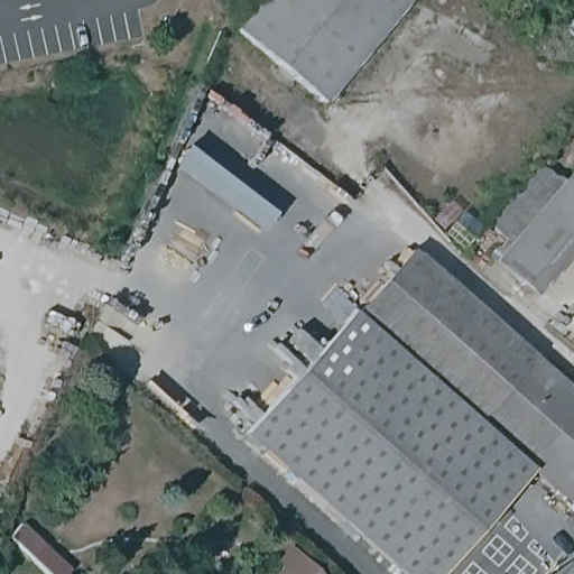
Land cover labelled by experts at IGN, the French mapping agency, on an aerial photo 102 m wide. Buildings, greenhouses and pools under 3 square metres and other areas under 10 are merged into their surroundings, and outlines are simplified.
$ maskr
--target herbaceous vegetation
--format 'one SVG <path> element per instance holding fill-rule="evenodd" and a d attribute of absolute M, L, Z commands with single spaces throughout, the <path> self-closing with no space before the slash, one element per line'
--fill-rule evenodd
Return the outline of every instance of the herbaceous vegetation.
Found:
<path fill-rule="evenodd" d="M 549 168 L 563 177 L 574 179 L 574 141 L 567 148 L 540 155 L 540 168 Z"/>
<path fill-rule="evenodd" d="M 123 54 L 141 54 L 137 76 L 146 83 L 148 90 L 161 90 L 161 83 L 166 78 L 159 72 L 177 72 L 179 67 L 186 67 L 193 45 L 186 36 L 193 31 L 193 27 L 209 22 L 211 34 L 222 36 L 226 27 L 229 16 L 222 16 L 222 9 L 229 0 L 0 0 L 0 99 L 4 94 L 22 94 L 40 87 L 40 74 L 45 74 L 47 67 L 56 65 L 56 61 L 61 58 L 74 61 L 85 56 L 94 63 L 99 81 L 103 81 L 110 76 L 110 67 L 117 67 Z M 179 38 L 179 43 L 168 54 L 157 52 L 148 43 L 155 27 L 161 31 L 166 29 L 173 38 Z"/>
<path fill-rule="evenodd" d="M 108 574 L 108 570 L 103 570 L 103 565 L 96 561 L 96 547 L 101 547 L 108 538 L 126 558 L 130 558 L 126 563 L 126 570 L 130 574 L 132 574 L 141 565 L 144 556 L 155 549 L 159 540 L 166 540 L 166 536 L 170 536 L 173 518 L 177 513 L 182 513 L 186 520 L 193 520 L 193 513 L 202 513 L 202 509 L 220 491 L 229 502 L 242 504 L 242 493 L 224 489 L 222 475 L 229 471 L 204 444 L 195 439 L 195 428 L 186 426 L 175 413 L 170 417 L 159 419 L 155 415 L 155 406 L 148 399 L 139 397 L 135 388 L 130 388 L 119 383 L 119 392 L 114 399 L 117 439 L 110 446 L 112 455 L 105 460 L 110 464 L 108 484 L 92 493 L 92 498 L 81 507 L 74 520 L 58 525 L 54 531 L 47 531 L 34 518 L 29 520 L 29 525 L 72 567 L 72 574 Z"/>
<path fill-rule="evenodd" d="M 217 520 L 213 527 L 191 536 L 191 545 L 206 547 L 215 554 L 215 563 L 220 563 L 220 570 L 209 570 L 204 574 L 240 574 L 240 567 L 233 563 L 233 558 L 229 558 L 226 549 L 231 549 L 233 545 L 242 547 L 242 543 L 235 540 L 238 531 L 226 529 L 222 520 Z"/>
<path fill-rule="evenodd" d="M 462 58 L 451 61 L 451 56 L 444 52 L 431 54 L 431 70 L 444 70 L 444 83 L 437 87 L 439 96 L 509 96 L 504 105 L 496 105 L 491 110 L 487 132 L 493 137 L 496 148 L 489 157 L 480 161 L 469 159 L 455 175 L 446 175 L 439 168 L 426 168 L 419 159 L 415 159 L 410 152 L 406 152 L 388 137 L 368 139 L 365 157 L 372 159 L 379 150 L 388 150 L 390 159 L 386 159 L 386 170 L 390 170 L 397 177 L 397 182 L 431 217 L 439 215 L 439 209 L 448 202 L 460 204 L 462 211 L 469 213 L 475 206 L 475 188 L 480 186 L 480 179 L 507 173 L 511 170 L 511 166 L 518 166 L 525 159 L 522 146 L 527 146 L 527 139 L 534 139 L 540 132 L 545 132 L 543 128 L 549 123 L 556 110 L 565 110 L 570 117 L 574 114 L 574 76 L 561 74 L 556 70 L 556 58 L 545 58 L 545 63 L 534 61 L 520 45 L 511 43 L 507 34 L 502 34 L 500 27 L 482 25 L 480 13 L 466 13 L 462 0 L 408 0 L 410 9 L 397 20 L 397 25 L 390 27 L 386 38 L 374 47 L 368 63 L 345 81 L 339 96 L 327 96 L 325 103 L 309 94 L 300 83 L 289 81 L 283 74 L 283 70 L 276 63 L 271 63 L 267 54 L 253 47 L 240 31 L 235 34 L 231 38 L 229 65 L 222 74 L 224 83 L 211 81 L 200 92 L 188 87 L 184 114 L 177 121 L 175 135 L 170 137 L 173 146 L 168 146 L 164 159 L 157 161 L 157 168 L 161 170 L 166 164 L 168 157 L 182 157 L 184 150 L 197 148 L 197 141 L 209 132 L 202 126 L 202 119 L 211 92 L 222 94 L 229 103 L 238 105 L 249 119 L 253 119 L 256 126 L 269 130 L 278 126 L 283 128 L 283 123 L 287 123 L 303 105 L 312 108 L 314 121 L 325 130 L 330 108 L 368 103 L 368 94 L 354 92 L 354 85 L 361 81 L 372 81 L 374 72 L 390 52 L 395 38 L 404 31 L 406 22 L 415 20 L 422 7 L 428 4 L 433 11 L 433 20 L 439 22 L 442 16 L 453 16 L 457 25 L 466 25 L 473 34 L 482 36 L 493 45 L 487 63 L 471 63 Z"/>
<path fill-rule="evenodd" d="M 96 170 L 103 170 L 110 166 L 110 157 L 117 152 L 117 146 L 123 139 L 121 130 L 103 128 L 87 112 L 65 121 L 52 121 L 47 114 L 20 112 L 16 117 L 11 114 L 9 119 L 0 121 L 0 206 L 13 211 L 16 215 L 36 217 L 40 224 L 47 226 L 52 244 L 61 242 L 61 238 L 72 238 L 78 231 L 85 231 L 87 224 L 96 222 L 96 213 L 92 213 L 92 206 L 83 206 L 83 211 L 63 209 L 45 195 L 36 195 L 34 191 L 36 186 L 63 186 L 72 193 L 87 193 L 87 182 L 94 177 Z"/>

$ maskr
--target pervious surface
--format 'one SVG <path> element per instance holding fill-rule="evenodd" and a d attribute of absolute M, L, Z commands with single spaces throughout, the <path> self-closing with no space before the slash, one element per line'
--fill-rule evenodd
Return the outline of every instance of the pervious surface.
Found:
<path fill-rule="evenodd" d="M 455 276 L 504 323 L 509 323 L 531 348 L 536 348 L 556 370 L 561 370 L 565 377 L 574 381 L 574 276 L 570 271 L 563 271 L 545 294 L 540 294 L 534 283 L 529 283 L 518 271 L 504 265 L 500 249 L 511 244 L 511 238 L 502 235 L 502 231 L 496 226 L 484 233 L 484 238 L 471 235 L 457 217 L 462 211 L 460 204 L 448 202 L 439 209 L 439 215 L 431 217 L 397 182 L 397 177 L 390 170 L 386 170 L 374 179 L 372 164 L 365 161 L 365 157 L 368 139 L 388 137 L 406 152 L 410 152 L 415 159 L 419 159 L 426 168 L 439 168 L 446 175 L 455 175 L 469 159 L 480 161 L 489 157 L 496 148 L 493 137 L 487 132 L 491 110 L 496 105 L 504 105 L 509 96 L 439 96 L 437 87 L 444 83 L 444 70 L 431 70 L 431 54 L 444 52 L 451 56 L 451 61 L 462 58 L 471 63 L 487 63 L 493 45 L 482 36 L 473 34 L 466 25 L 457 25 L 453 16 L 442 16 L 439 22 L 433 20 L 433 11 L 428 4 L 422 7 L 415 20 L 406 22 L 404 31 L 395 38 L 390 52 L 374 72 L 372 81 L 361 81 L 354 85 L 354 92 L 368 94 L 368 103 L 330 108 L 325 130 L 314 121 L 312 108 L 303 105 L 287 123 L 283 123 L 283 128 L 278 126 L 269 130 L 269 141 L 262 155 L 269 157 L 276 144 L 280 144 L 352 197 L 359 197 L 363 193 L 372 202 L 374 220 L 388 222 L 390 231 L 408 244 L 422 242 L 422 251 L 435 258 L 451 276 Z"/>
<path fill-rule="evenodd" d="M 61 422 L 58 406 L 54 404 L 54 399 L 61 397 L 67 401 L 70 388 L 78 388 L 78 372 L 90 370 L 87 352 L 78 350 L 81 336 L 96 332 L 96 321 L 101 312 L 96 305 L 105 303 L 112 291 L 128 289 L 137 280 L 132 271 L 121 274 L 114 260 L 101 258 L 87 244 L 81 244 L 72 238 L 61 238 L 61 242 L 52 244 L 47 226 L 40 224 L 36 217 L 16 215 L 13 211 L 0 206 L 0 496 L 7 491 L 11 480 L 20 478 L 22 469 L 29 462 L 29 453 L 40 455 L 49 444 L 61 439 L 61 435 L 65 433 L 67 424 Z"/>

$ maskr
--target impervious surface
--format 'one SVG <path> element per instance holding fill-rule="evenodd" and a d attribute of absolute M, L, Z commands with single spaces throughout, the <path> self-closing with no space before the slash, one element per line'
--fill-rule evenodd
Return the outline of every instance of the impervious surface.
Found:
<path fill-rule="evenodd" d="M 202 119 L 202 126 L 209 132 L 197 141 L 197 148 L 213 157 L 220 166 L 224 166 L 229 173 L 233 173 L 238 179 L 242 179 L 249 188 L 253 188 L 258 195 L 262 195 L 280 211 L 269 224 L 256 226 L 249 217 L 235 213 L 231 202 L 226 202 L 215 191 L 197 182 L 193 175 L 184 173 L 179 164 L 166 164 L 161 170 L 161 184 L 150 195 L 146 206 L 139 211 L 128 244 L 121 258 L 114 260 L 121 274 L 132 271 L 137 280 L 128 289 L 112 291 L 105 303 L 96 305 L 101 312 L 96 321 L 96 332 L 103 334 L 103 339 L 110 345 L 101 352 L 99 363 L 105 365 L 105 372 L 119 383 L 130 388 L 135 379 L 141 381 L 175 413 L 186 426 L 195 428 L 195 439 L 204 444 L 229 471 L 240 478 L 242 487 L 258 493 L 271 507 L 271 511 L 278 518 L 276 534 L 291 536 L 300 534 L 309 538 L 345 574 L 410 574 L 408 570 L 395 563 L 392 554 L 388 554 L 374 538 L 370 538 L 368 531 L 354 525 L 352 518 L 345 518 L 303 478 L 294 475 L 294 471 L 280 457 L 267 451 L 267 446 L 251 446 L 249 433 L 256 433 L 274 415 L 274 408 L 298 383 L 296 370 L 300 365 L 307 365 L 307 357 L 291 343 L 289 330 L 296 325 L 314 339 L 332 339 L 336 330 L 332 325 L 354 309 L 354 305 L 348 298 L 361 303 L 377 300 L 383 294 L 383 289 L 390 287 L 397 274 L 395 262 L 408 262 L 413 251 L 422 251 L 422 242 L 408 244 L 390 231 L 388 222 L 374 220 L 372 202 L 363 193 L 359 197 L 352 197 L 280 144 L 276 144 L 269 157 L 262 155 L 269 141 L 269 130 L 256 126 L 253 119 L 249 119 L 238 105 L 229 103 L 222 94 L 211 92 Z"/>
<path fill-rule="evenodd" d="M 464 556 L 464 561 L 455 567 L 453 574 L 574 574 L 574 500 L 565 491 L 552 491 L 547 484 L 540 482 L 540 475 L 534 475 L 534 489 L 529 489 L 518 500 L 518 504 L 513 502 L 507 511 L 500 513 L 500 518 L 480 536 L 475 549 Z"/>

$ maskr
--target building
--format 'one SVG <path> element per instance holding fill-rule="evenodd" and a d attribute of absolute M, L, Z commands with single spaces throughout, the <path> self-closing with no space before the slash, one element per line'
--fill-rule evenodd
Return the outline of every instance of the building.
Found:
<path fill-rule="evenodd" d="M 327 96 L 339 96 L 345 81 L 368 63 L 374 47 L 386 38 L 390 27 L 397 25 L 397 20 L 410 9 L 408 0 L 265 0 L 258 13 L 240 31 L 253 47 L 267 54 L 271 63 L 276 63 L 283 70 L 283 74 L 289 81 L 300 83 L 309 94 L 325 103 Z"/>
<path fill-rule="evenodd" d="M 278 574 L 325 574 L 321 565 L 307 558 L 296 545 L 285 549 L 283 567 Z"/>
<path fill-rule="evenodd" d="M 27 558 L 11 574 L 72 574 L 72 567 L 29 525 L 18 525 L 11 534 L 20 554 Z"/>
<path fill-rule="evenodd" d="M 549 168 L 540 168 L 536 170 L 527 188 L 509 202 L 496 226 L 502 231 L 502 235 L 511 238 L 511 244 L 500 249 L 504 265 L 518 271 L 529 283 L 534 283 L 540 294 L 545 294 L 563 271 L 570 271 L 574 276 L 574 179 L 563 177 Z"/>
<path fill-rule="evenodd" d="M 529 489 L 534 489 L 534 475 L 540 475 L 540 482 L 547 484 L 552 491 L 565 491 L 574 500 L 574 381 L 565 377 L 561 370 L 556 370 L 536 348 L 531 348 L 509 323 L 504 323 L 455 276 L 451 276 L 435 258 L 422 251 L 413 251 L 408 262 L 395 262 L 397 274 L 390 287 L 383 289 L 383 294 L 377 300 L 361 303 L 348 298 L 354 305 L 354 309 L 332 325 L 336 330 L 332 339 L 314 339 L 296 325 L 289 330 L 291 343 L 307 357 L 307 365 L 300 365 L 296 370 L 298 383 L 274 408 L 274 415 L 256 433 L 249 433 L 251 446 L 267 446 L 267 451 L 280 457 L 294 471 L 294 475 L 303 478 L 345 518 L 352 518 L 354 525 L 368 531 L 370 538 L 374 538 L 388 554 L 392 554 L 395 563 L 408 570 L 410 574 L 453 574 L 455 567 L 464 561 L 464 556 L 475 549 L 480 536 L 500 518 L 500 513 L 507 511 L 513 502 L 518 504 L 518 500 Z"/>
<path fill-rule="evenodd" d="M 193 175 L 197 182 L 215 191 L 226 202 L 231 202 L 235 213 L 249 217 L 256 226 L 269 224 L 280 211 L 262 195 L 258 195 L 253 188 L 249 188 L 242 179 L 238 179 L 233 173 L 229 173 L 224 166 L 220 166 L 213 157 L 197 148 L 184 150 L 182 157 L 168 157 L 166 164 L 179 164 L 184 173 Z"/>

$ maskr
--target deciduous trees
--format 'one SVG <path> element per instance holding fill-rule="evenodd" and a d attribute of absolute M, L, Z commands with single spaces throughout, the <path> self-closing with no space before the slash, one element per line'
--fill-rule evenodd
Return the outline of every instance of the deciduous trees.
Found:
<path fill-rule="evenodd" d="M 466 13 L 480 13 L 482 25 L 500 27 L 502 34 L 507 34 L 511 43 L 520 45 L 534 61 L 545 63 L 545 58 L 556 58 L 556 70 L 561 74 L 574 76 L 574 0 L 462 0 Z"/>
<path fill-rule="evenodd" d="M 545 132 L 540 132 L 534 139 L 527 139 L 527 146 L 522 146 L 525 159 L 518 166 L 511 166 L 511 170 L 507 173 L 480 179 L 480 186 L 475 188 L 475 206 L 469 213 L 462 211 L 457 217 L 471 235 L 484 238 L 484 233 L 496 226 L 509 202 L 527 188 L 536 170 L 540 168 L 540 155 L 567 148 L 574 141 L 574 114 L 570 117 L 565 110 L 556 110 L 549 123 L 543 128 Z"/>
<path fill-rule="evenodd" d="M 85 96 L 99 94 L 101 90 L 114 87 L 119 83 L 126 96 L 126 119 L 121 121 L 121 130 L 123 139 L 117 146 L 117 152 L 110 157 L 110 166 L 103 170 L 101 186 L 105 188 L 105 193 L 92 206 L 92 213 L 96 213 L 96 222 L 87 224 L 85 231 L 78 231 L 72 238 L 81 244 L 87 244 L 101 258 L 114 260 L 121 258 L 128 244 L 139 211 L 146 206 L 150 195 L 161 184 L 161 170 L 157 168 L 157 161 L 164 159 L 168 146 L 173 146 L 170 137 L 175 135 L 177 121 L 184 114 L 188 87 L 200 92 L 211 81 L 204 74 L 209 61 L 202 56 L 202 52 L 209 45 L 211 34 L 209 22 L 193 27 L 193 31 L 186 36 L 193 45 L 186 67 L 179 67 L 177 72 L 159 72 L 166 78 L 161 83 L 161 90 L 148 90 L 146 83 L 137 76 L 141 54 L 123 54 L 117 67 L 110 67 L 110 76 L 103 81 L 99 81 L 94 63 L 85 56 L 74 61 L 61 58 L 56 61 L 56 65 L 47 67 L 45 74 L 40 74 L 40 87 L 54 87 L 63 94 Z"/>
<path fill-rule="evenodd" d="M 242 543 L 242 547 L 233 545 L 231 549 L 226 549 L 229 558 L 233 558 L 233 563 L 240 567 L 240 574 L 278 574 L 283 567 L 285 549 L 296 545 L 291 536 L 276 534 L 267 534 L 260 520 L 244 522 L 242 516 L 222 520 L 226 529 L 238 531 L 235 540 Z"/>
<path fill-rule="evenodd" d="M 229 0 L 222 9 L 222 16 L 229 16 L 226 27 L 235 34 L 240 31 L 258 13 L 265 0 Z"/>
<path fill-rule="evenodd" d="M 390 159 L 388 150 L 379 150 L 372 159 L 365 157 L 365 161 L 372 164 L 374 179 L 386 170 L 386 159 Z"/>
<path fill-rule="evenodd" d="M 40 455 L 29 453 L 29 462 L 22 469 L 20 478 L 11 480 L 7 491 L 0 496 L 0 574 L 11 574 L 27 558 L 20 554 L 11 534 L 18 525 L 29 525 L 29 520 L 34 518 L 47 531 L 54 531 L 58 525 L 74 520 L 81 507 L 92 498 L 92 493 L 108 484 L 110 464 L 105 460 L 112 455 L 110 446 L 117 439 L 114 399 L 119 392 L 119 383 L 105 372 L 105 365 L 99 363 L 101 352 L 110 345 L 103 339 L 103 334 L 96 332 L 81 336 L 78 350 L 87 352 L 90 370 L 78 372 L 78 388 L 70 388 L 67 401 L 61 397 L 54 399 L 54 404 L 58 406 L 61 422 L 67 424 L 65 433 L 61 435 L 61 439 L 49 444 Z"/>
<path fill-rule="evenodd" d="M 186 520 L 182 513 L 177 513 L 173 518 L 170 536 L 166 536 L 166 540 L 159 540 L 155 549 L 144 556 L 141 565 L 132 574 L 204 574 L 209 570 L 220 570 L 220 563 L 215 563 L 215 554 L 206 547 L 191 545 L 191 536 L 213 527 L 217 520 L 209 513 L 202 513 L 193 513 L 193 520 Z"/>
<path fill-rule="evenodd" d="M 103 570 L 108 570 L 108 574 L 130 574 L 126 570 L 126 563 L 130 558 L 126 558 L 108 538 L 101 547 L 96 547 L 96 561 L 103 565 Z"/>
<path fill-rule="evenodd" d="M 155 27 L 148 43 L 157 52 L 168 54 L 179 43 L 179 38 L 173 38 L 166 29 L 161 31 Z"/>

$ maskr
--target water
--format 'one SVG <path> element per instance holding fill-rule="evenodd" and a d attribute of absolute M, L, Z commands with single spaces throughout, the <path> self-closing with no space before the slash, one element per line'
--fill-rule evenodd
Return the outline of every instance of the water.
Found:
<path fill-rule="evenodd" d="M 126 96 L 119 83 L 114 87 L 101 90 L 99 94 L 85 96 L 87 112 L 103 128 L 121 130 L 121 121 L 126 119 Z"/>

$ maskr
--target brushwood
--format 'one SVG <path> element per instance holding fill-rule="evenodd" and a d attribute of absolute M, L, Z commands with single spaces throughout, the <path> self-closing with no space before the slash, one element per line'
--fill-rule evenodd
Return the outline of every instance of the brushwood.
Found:
<path fill-rule="evenodd" d="M 63 209 L 83 211 L 83 206 L 92 206 L 105 193 L 105 188 L 101 186 L 103 170 L 96 170 L 94 177 L 87 182 L 87 193 L 72 193 L 63 186 L 36 186 L 34 191 L 36 195 L 45 195 Z"/>
<path fill-rule="evenodd" d="M 300 534 L 291 536 L 296 545 L 307 558 L 321 565 L 325 574 L 345 574 L 309 538 Z"/>
<path fill-rule="evenodd" d="M 159 419 L 170 417 L 175 413 L 141 381 L 135 379 L 130 388 L 135 388 L 139 397 L 148 399 L 155 406 L 155 415 Z"/>
<path fill-rule="evenodd" d="M 222 36 L 211 34 L 209 45 L 202 52 L 202 56 L 209 61 L 204 74 L 211 81 L 224 83 L 222 74 L 229 65 L 231 38 L 235 34 L 226 27 Z"/>
<path fill-rule="evenodd" d="M 260 520 L 267 534 L 276 534 L 278 518 L 271 511 L 271 507 L 258 493 L 242 487 L 240 478 L 229 471 L 222 475 L 224 489 L 242 493 L 242 504 L 229 502 L 220 491 L 202 509 L 202 513 L 209 513 L 217 520 L 222 520 L 242 516 L 244 522 Z"/>
<path fill-rule="evenodd" d="M 40 87 L 22 94 L 4 94 L 0 99 L 0 121 L 9 119 L 11 114 L 16 117 L 20 112 L 47 114 L 52 121 L 65 121 L 87 112 L 85 96 L 63 94 L 54 87 Z"/>

